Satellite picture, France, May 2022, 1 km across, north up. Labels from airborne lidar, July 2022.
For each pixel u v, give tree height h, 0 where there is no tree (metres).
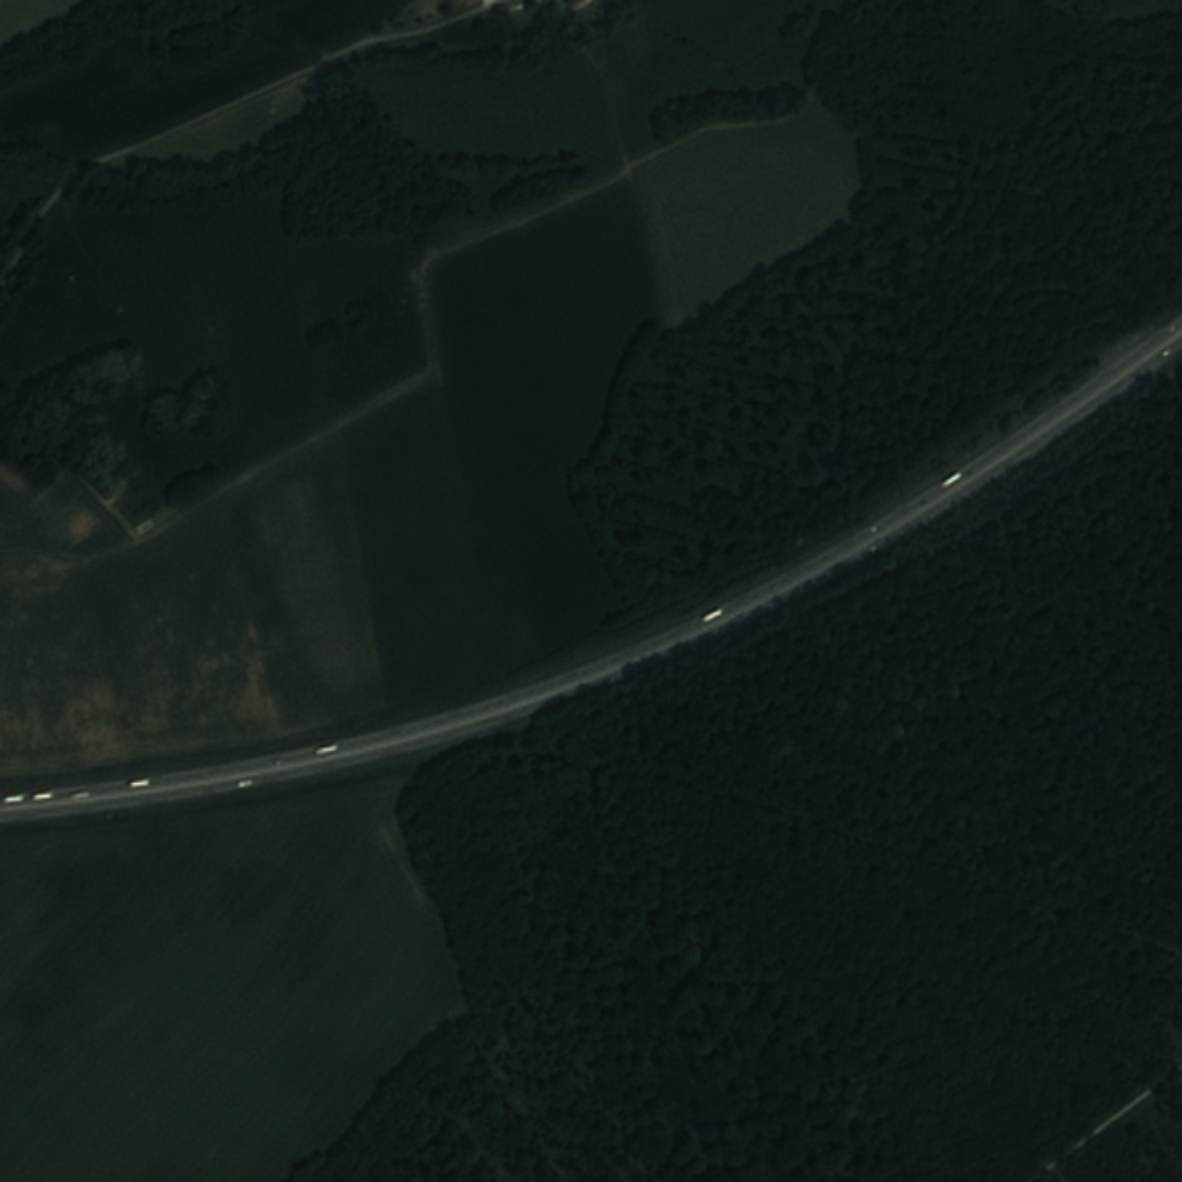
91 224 0
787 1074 23
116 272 0
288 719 0
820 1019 13
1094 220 23
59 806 0
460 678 0
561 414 0
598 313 0
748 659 18
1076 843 26
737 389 22
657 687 19
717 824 22
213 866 0
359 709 0
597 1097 21
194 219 0
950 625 28
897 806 24
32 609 0
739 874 19
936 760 28
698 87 0
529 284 0
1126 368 0
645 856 22
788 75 0
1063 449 11
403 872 0
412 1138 17
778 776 22
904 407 25
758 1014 25
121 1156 0
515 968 17
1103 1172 10
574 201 0
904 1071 18
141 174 19
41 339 0
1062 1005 21
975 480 0
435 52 17
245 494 0
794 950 21
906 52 8
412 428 0
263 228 0
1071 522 24
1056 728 26
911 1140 14
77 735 0
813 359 20
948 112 16
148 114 0
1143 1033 17
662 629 0
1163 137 23
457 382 0
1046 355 24
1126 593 25
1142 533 23
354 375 0
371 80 0
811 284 23
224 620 0
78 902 0
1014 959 16
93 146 0
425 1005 0
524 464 0
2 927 0
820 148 0
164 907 0
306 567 0
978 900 22
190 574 0
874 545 0
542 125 0
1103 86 22
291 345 0
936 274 21
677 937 22
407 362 0
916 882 20
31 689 0
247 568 0
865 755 29
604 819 15
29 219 16
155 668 0
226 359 0
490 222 0
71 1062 0
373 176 10
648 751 24
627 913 14
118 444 20
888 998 14
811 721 29
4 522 0
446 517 0
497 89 0
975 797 25
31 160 24
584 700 17
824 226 0
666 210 0
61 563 0
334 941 0
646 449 21
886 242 22
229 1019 0
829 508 25
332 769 0
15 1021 0
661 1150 24
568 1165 11
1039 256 23
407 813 13
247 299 0
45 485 12
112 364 20
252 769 0
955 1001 15
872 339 25
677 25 0
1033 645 30
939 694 25
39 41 14
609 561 14
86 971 0
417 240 11
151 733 0
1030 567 27
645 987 25
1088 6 21
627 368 15
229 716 0
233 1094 0
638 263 0
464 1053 18
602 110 0
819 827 17
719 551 19
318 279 0
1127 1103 15
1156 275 25
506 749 19
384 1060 0
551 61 16
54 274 0
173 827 0
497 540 0
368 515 0
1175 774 29
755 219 0
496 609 0
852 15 23
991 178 24
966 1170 17
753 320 23
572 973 17
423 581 0
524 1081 14
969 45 7
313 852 0
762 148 0
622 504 20
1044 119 22
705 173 0
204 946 0
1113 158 26
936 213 22
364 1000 0
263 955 0
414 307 0
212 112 0
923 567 20
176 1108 0
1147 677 28
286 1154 0
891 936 20
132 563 0
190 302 0
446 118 0
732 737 26
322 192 12
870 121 20
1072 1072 19
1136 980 22
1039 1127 23
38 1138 0
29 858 0
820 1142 6
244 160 15
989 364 16
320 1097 0
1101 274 26
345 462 0
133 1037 0
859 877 18
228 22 12
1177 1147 7
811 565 0
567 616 0
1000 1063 17
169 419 16
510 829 15
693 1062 21
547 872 18
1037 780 26
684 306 0
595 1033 16
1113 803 31
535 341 0
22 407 22
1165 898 25
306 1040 0
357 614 0
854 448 18
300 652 0
